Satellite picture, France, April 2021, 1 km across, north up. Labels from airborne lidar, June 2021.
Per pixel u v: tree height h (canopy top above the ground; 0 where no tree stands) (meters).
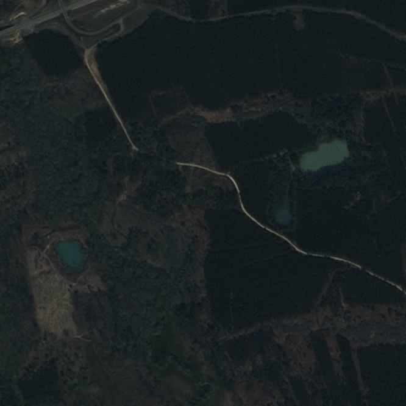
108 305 14
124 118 13
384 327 6
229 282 12
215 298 13
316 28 13
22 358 22
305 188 13
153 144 14
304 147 19
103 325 16
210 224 11
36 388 13
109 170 9
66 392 15
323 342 9
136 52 12
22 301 15
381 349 10
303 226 12
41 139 15
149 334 23
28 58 10
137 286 18
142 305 17
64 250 0
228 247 13
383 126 12
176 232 22
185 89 12
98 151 6
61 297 0
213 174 0
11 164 0
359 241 13
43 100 14
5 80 16
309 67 13
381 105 11
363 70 12
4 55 10
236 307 12
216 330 20
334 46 10
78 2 0
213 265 14
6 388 17
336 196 12
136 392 0
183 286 16
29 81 20
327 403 14
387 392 8
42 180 11
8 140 0
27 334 11
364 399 11
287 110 7
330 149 0
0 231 20
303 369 7
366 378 10
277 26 11
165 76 13
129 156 7
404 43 11
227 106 12
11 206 13
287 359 14
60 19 0
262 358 11
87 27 0
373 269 12
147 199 23
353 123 18
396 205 13
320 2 11
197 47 13
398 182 13
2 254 15
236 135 13
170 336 0
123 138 6
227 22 12
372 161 9
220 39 12
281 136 15
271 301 15
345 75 9
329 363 9
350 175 18
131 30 0
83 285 0
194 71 12
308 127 12
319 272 14
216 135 16
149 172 17
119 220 0
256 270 11
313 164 0
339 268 12
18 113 21
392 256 12
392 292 11
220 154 13
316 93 11
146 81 14
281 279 13
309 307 14
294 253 12
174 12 12
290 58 12
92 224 13
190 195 7
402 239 10
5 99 14
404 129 12
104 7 0
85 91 13
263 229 11
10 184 18
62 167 10
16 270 14
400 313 15
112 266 25
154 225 12
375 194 16
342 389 13
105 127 12
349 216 13
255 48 11
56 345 19
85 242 0
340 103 19
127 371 0
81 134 14
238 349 10
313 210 12
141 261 22
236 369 10
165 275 17
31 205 13
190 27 13
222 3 12
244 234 13
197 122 9
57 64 14
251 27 13
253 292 14
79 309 20
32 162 16
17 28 0
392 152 11
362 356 8
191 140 8
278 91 11
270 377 14
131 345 22
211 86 12
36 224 11
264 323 12
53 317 0
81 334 7
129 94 13
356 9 12
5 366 14
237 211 11
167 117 13
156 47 13
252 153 13
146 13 0
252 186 12
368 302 12
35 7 0
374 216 10
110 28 0
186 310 24
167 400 26
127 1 0
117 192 13
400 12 12
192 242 11
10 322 11
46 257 0
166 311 17
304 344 6
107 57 13
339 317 0
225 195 19
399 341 13
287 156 12
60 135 17
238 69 12
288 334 10
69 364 16
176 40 13
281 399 11
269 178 11
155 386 18
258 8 13
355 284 13
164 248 0
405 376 10
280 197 15
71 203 15
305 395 11
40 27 0
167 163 14
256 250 12
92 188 17
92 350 0
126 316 20
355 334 7
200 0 11
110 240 18
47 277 0
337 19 11
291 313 15
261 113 7
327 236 14
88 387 24
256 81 11
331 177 22
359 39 12
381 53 11
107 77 12
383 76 10
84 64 12
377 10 13
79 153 17
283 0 13
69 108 15
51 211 15
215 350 16
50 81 10
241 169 10
